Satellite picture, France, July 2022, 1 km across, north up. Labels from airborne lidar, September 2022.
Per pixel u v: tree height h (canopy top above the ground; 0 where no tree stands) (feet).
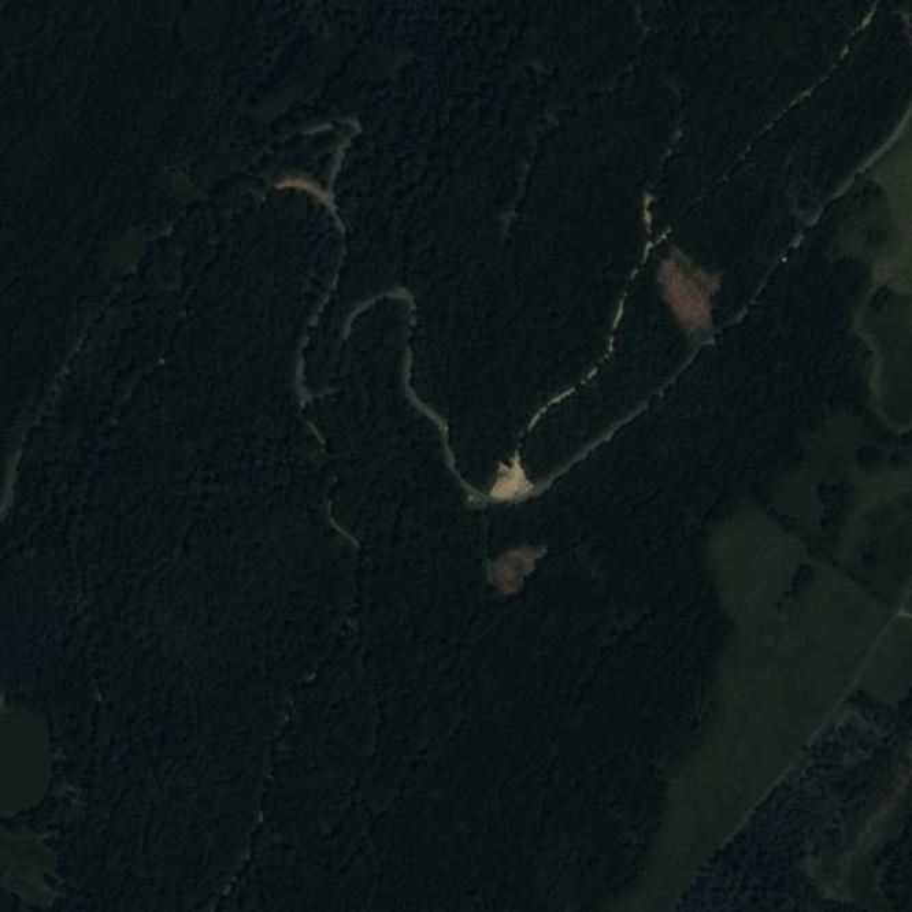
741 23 83
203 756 40
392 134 65
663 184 63
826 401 28
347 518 45
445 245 51
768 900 74
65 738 56
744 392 31
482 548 62
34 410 65
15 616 71
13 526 30
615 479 51
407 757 79
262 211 65
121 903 86
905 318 0
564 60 57
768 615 0
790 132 34
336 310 54
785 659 0
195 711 62
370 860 50
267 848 57
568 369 50
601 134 49
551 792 35
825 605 0
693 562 63
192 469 58
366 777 69
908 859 45
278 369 41
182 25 55
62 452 95
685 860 0
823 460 0
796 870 53
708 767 0
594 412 41
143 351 77
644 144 57
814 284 35
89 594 54
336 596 76
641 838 45
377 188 44
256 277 38
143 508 59
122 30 33
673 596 76
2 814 0
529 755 67
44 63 58
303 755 54
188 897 64
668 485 61
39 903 0
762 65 45
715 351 56
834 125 46
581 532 58
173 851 60
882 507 0
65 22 41
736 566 0
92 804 72
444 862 68
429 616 72
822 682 0
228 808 60
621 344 53
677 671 49
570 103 85
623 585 102
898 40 56
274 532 34
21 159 41
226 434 32
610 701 51
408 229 38
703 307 0
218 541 48
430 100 68
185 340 61
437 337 56
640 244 62
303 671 68
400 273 39
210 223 78
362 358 70
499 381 46
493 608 84
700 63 73
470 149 68
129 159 41
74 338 71
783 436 46
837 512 59
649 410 29
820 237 45
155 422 44
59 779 51
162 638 52
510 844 43
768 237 48
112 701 60
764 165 57
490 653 67
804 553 0
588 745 52
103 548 52
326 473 35
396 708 60
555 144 72
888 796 0
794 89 39
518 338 41
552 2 61
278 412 45
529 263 46
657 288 40
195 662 41
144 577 38
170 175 41
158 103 52
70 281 34
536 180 69
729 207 48
